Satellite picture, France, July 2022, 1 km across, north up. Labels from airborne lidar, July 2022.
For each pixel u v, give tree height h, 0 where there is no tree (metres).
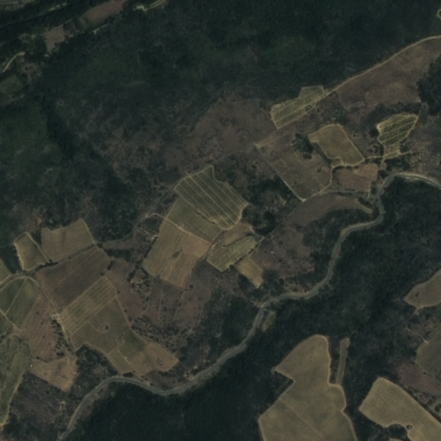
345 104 0
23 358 0
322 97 0
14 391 0
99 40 6
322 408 0
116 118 0
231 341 8
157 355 0
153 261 0
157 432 6
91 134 0
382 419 0
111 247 0
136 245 0
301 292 0
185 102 0
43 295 0
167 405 9
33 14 24
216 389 7
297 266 0
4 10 7
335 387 0
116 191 7
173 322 0
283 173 0
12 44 13
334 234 7
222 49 6
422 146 0
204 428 7
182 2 7
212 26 6
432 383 0
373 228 7
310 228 0
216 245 0
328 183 0
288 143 0
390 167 9
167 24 6
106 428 6
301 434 0
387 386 0
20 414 0
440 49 0
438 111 8
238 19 7
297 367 0
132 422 6
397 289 7
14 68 8
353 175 0
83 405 0
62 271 0
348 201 0
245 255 0
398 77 0
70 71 7
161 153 0
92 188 5
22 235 0
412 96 0
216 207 0
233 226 0
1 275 0
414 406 0
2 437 0
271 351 7
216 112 0
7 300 0
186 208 0
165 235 0
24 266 0
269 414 0
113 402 8
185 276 0
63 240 0
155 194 0
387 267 8
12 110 7
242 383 6
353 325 5
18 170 0
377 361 6
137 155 0
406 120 0
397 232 6
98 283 0
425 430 0
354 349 7
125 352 0
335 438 0
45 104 17
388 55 0
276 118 0
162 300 0
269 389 6
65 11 16
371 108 0
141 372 0
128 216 6
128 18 7
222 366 9
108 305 0
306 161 0
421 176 0
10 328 0
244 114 0
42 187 0
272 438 0
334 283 10
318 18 7
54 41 0
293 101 0
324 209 0
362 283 0
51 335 0
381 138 0
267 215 10
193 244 0
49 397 0
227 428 7
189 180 0
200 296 0
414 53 0
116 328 0
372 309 7
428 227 7
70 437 6
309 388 0
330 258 12
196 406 7
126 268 0
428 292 0
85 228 0
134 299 0
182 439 7
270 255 0
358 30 10
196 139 0
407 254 9
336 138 0
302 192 0
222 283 0
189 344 6
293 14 6
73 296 0
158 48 6
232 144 0
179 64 9
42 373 0
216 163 0
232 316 6
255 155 0
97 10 0
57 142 7
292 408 0
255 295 6
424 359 0
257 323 0
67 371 0
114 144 0
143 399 7
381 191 0
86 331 0
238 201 0
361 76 0
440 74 8
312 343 0
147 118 0
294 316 6
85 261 0
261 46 6
